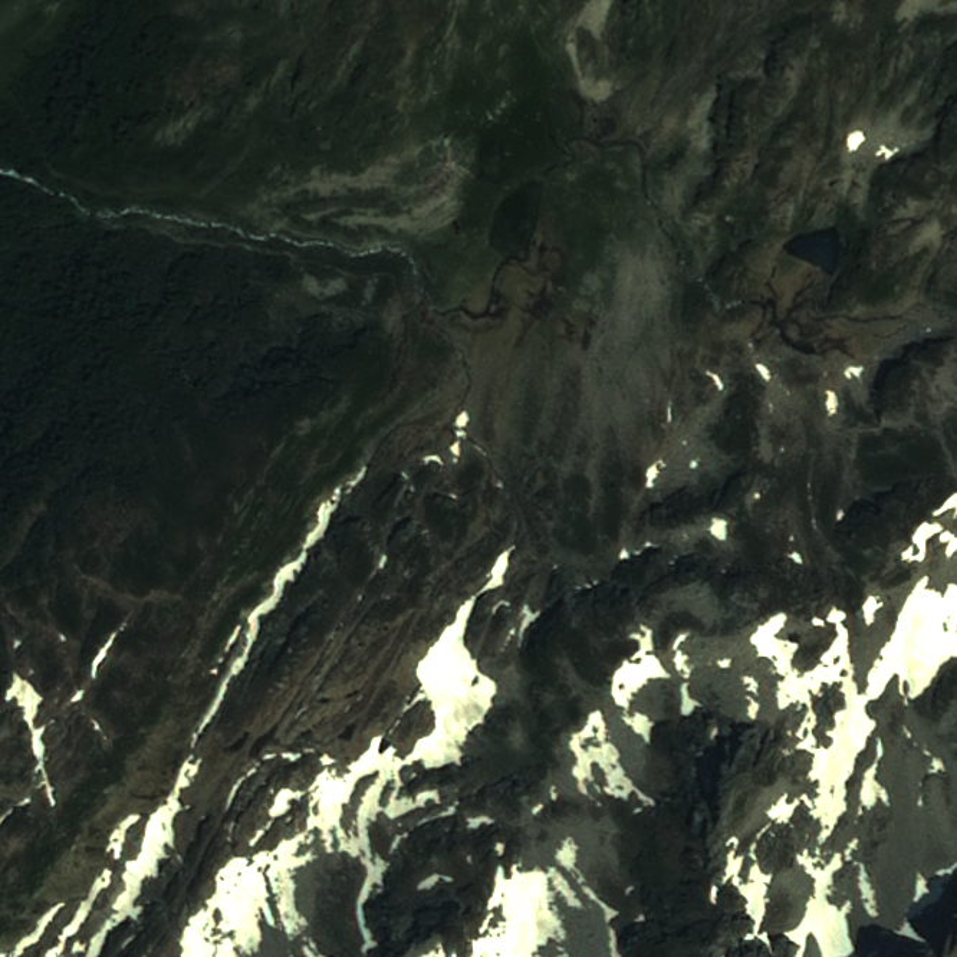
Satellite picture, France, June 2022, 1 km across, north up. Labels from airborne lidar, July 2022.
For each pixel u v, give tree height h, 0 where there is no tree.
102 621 0
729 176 0
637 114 0
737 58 0
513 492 0
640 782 0
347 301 0
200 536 0
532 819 0
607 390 0
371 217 0
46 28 0
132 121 10
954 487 0
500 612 0
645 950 0
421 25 0
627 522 0
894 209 0
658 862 0
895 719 0
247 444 0
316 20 0
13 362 6
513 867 0
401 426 0
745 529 0
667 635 0
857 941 0
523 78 0
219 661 0
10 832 0
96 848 0
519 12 0
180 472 0
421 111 0
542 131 0
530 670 0
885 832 0
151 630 0
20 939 0
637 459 0
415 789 0
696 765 0
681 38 0
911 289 0
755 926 0
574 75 0
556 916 0
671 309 0
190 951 0
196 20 0
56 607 0
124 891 0
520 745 0
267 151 0
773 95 0
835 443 0
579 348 0
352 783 0
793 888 0
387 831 0
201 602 0
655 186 0
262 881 0
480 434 0
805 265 0
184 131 0
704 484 0
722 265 0
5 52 0
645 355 0
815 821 0
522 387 0
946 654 0
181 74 0
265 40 0
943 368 0
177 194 0
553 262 0
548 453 0
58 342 6
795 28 0
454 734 0
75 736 0
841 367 0
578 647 0
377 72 0
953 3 0
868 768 0
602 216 0
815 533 0
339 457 0
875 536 0
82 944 0
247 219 0
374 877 0
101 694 0
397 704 0
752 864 0
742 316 0
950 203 0
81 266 10
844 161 0
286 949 0
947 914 0
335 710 0
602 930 0
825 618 0
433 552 0
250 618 0
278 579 0
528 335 0
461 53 0
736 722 0
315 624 0
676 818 0
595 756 0
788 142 0
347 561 0
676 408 0
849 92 0
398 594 0
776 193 0
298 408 0
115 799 0
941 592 0
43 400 6
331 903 0
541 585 0
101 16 5
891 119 0
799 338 0
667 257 0
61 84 7
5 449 6
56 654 0
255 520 0
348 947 0
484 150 0
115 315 6
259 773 0
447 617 0
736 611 0
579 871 0
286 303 0
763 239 0
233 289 5
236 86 0
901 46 0
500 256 0
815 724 0
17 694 0
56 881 0
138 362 0
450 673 0
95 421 6
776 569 0
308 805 0
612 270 0
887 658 0
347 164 0
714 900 0
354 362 0
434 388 0
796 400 0
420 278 0
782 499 0
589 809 0
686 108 0
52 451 6
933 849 0
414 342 0
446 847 0
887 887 0
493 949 0
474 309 0
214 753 0
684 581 0
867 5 0
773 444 0
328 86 0
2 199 7
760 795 0
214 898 0
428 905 0
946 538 0
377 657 0
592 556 0
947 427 0
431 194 0
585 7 0
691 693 0
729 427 0
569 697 0
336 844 0
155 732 0
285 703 0
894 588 0
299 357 10
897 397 0
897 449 0
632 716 0
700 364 0
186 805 0
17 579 0
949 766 0
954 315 0
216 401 6
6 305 8
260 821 0
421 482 0
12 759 0
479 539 0
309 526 0
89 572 0
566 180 0
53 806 0
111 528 0
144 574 0
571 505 0
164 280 7
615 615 0
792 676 0
